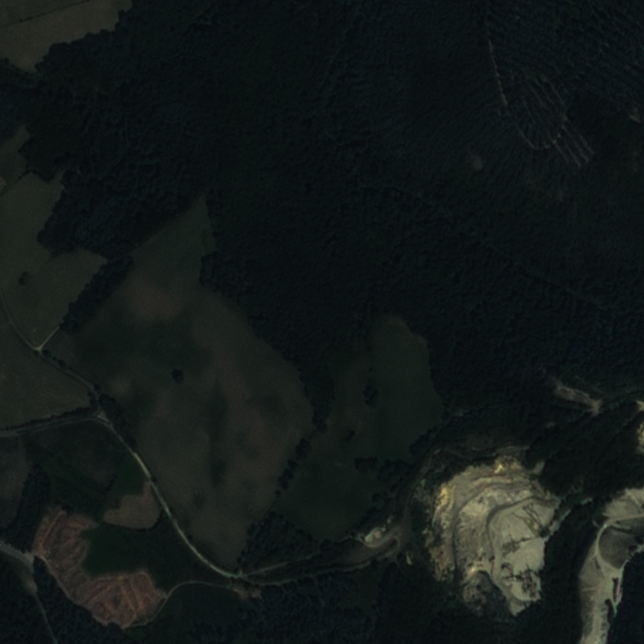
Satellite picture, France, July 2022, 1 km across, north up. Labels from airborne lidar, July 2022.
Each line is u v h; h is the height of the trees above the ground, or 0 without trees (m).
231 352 0
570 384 8
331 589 25
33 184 0
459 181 16
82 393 0
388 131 19
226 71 19
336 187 21
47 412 0
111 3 0
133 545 0
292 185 25
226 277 19
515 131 15
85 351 0
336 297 21
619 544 0
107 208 32
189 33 23
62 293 0
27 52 0
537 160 14
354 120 8
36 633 21
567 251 10
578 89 19
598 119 15
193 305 0
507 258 13
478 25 7
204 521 0
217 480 0
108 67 28
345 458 0
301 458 17
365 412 0
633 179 15
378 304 22
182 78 20
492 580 0
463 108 16
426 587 6
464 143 18
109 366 0
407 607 26
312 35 28
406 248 19
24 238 0
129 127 13
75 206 20
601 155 19
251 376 0
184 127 6
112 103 6
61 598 31
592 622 0
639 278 23
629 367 20
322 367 21
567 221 19
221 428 0
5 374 0
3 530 11
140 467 0
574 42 28
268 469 0
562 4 23
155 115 10
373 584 0
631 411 10
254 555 18
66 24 0
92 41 27
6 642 15
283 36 25
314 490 0
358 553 0
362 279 25
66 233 21
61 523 0
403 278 19
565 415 16
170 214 21
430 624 19
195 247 0
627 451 9
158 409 0
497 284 26
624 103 28
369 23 12
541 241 19
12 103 25
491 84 18
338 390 0
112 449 0
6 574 16
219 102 19
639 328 29
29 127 10
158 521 7
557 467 19
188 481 0
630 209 14
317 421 17
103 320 0
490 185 11
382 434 0
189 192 22
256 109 27
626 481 19
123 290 0
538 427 18
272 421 0
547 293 23
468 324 22
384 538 0
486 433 8
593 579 0
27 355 0
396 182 25
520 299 27
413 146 17
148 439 0
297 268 26
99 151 19
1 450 0
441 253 24
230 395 0
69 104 26
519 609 0
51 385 0
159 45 19
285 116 24
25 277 8
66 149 9
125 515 0
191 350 0
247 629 22
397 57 19
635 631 16
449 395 18
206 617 0
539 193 6
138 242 17
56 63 22
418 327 16
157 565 0
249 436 0
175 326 0
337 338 22
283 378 0
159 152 22
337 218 27
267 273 20
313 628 26
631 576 17
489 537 0
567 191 6
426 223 27
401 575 22
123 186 11
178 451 0
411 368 0
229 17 29
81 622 27
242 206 16
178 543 0
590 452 24
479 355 20
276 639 24
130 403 0
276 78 28
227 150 25
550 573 18
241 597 0
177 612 0
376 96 18
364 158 18
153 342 0
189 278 0
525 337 21
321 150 26
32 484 20
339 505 0
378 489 0
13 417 0
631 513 0
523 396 19
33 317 0
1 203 0
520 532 0
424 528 8
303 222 14
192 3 26
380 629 19
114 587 0
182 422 0
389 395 0
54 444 0
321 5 20
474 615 12
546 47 26
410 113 15
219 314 0
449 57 21
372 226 15
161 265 0
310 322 20
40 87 19
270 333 18
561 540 11
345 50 20
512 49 20
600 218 15
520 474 0
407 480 7
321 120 19
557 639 27
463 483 0
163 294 0
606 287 15
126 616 0
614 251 12
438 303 21
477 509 0
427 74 21
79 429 0
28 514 19
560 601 22
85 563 0
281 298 25
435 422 0
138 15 19
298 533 15
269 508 0
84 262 0
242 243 20
